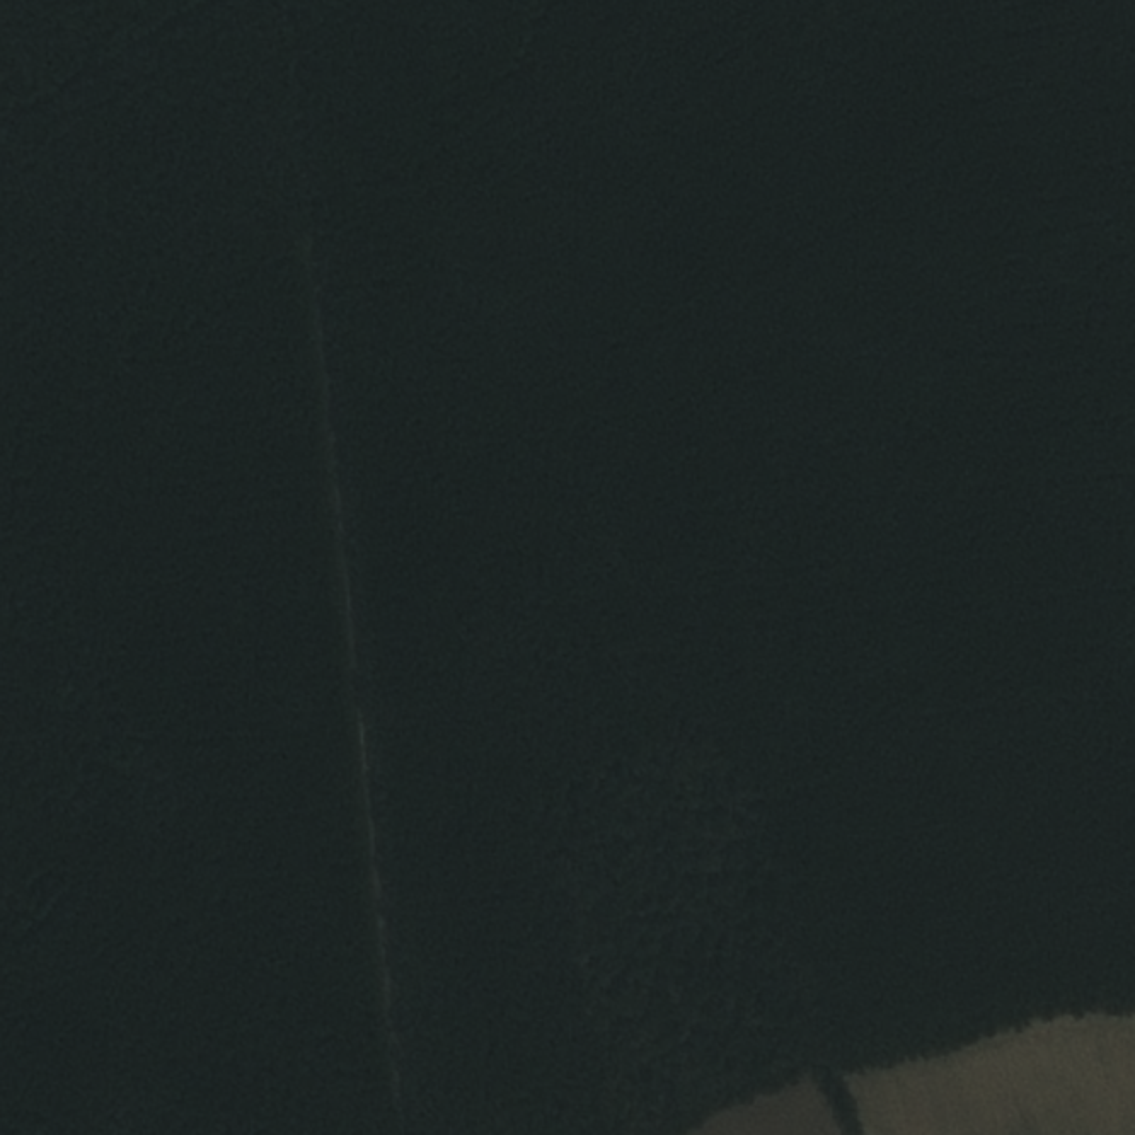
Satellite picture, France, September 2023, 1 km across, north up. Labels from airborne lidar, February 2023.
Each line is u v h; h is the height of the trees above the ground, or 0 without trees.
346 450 17
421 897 21
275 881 20
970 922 22
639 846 19
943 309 16
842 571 21
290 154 26
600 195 17
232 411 21
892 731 21
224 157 29
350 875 18
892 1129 0
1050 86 14
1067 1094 0
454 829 20
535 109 15
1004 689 16
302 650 20
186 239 27
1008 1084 0
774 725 21
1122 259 16
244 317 21
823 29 16
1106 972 20
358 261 23
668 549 21
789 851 22
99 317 29
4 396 30
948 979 21
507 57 20
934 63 16
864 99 17
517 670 22
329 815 20
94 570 22
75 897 24
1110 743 16
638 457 19
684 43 19
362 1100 24
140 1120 29
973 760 19
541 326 18
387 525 20
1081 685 16
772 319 16
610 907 25
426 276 20
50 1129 28
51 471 23
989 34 17
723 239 18
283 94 26
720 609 23
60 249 32
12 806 30
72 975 25
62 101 25
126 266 29
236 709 22
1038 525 22
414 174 21
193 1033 28
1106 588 20
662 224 20
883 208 15
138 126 28
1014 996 22
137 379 23
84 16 30
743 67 16
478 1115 24
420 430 19
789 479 23
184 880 27
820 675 22
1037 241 15
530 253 15
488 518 22
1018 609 20
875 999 22
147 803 23
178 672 20
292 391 17
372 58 27
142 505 21
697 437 20
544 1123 23
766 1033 24
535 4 20
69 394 27
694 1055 20
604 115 15
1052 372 20
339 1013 22
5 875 26
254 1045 27
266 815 20
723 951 20
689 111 19
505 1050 25
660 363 18
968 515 21
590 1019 24
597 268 17
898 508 19
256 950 25
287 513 20
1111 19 16
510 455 23
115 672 23
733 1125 0
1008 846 22
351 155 27
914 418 20
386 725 22
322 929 21
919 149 15
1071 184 13
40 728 31
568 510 22
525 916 23
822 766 24
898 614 21
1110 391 20
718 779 25
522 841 23
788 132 13
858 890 22
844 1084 20
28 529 32
